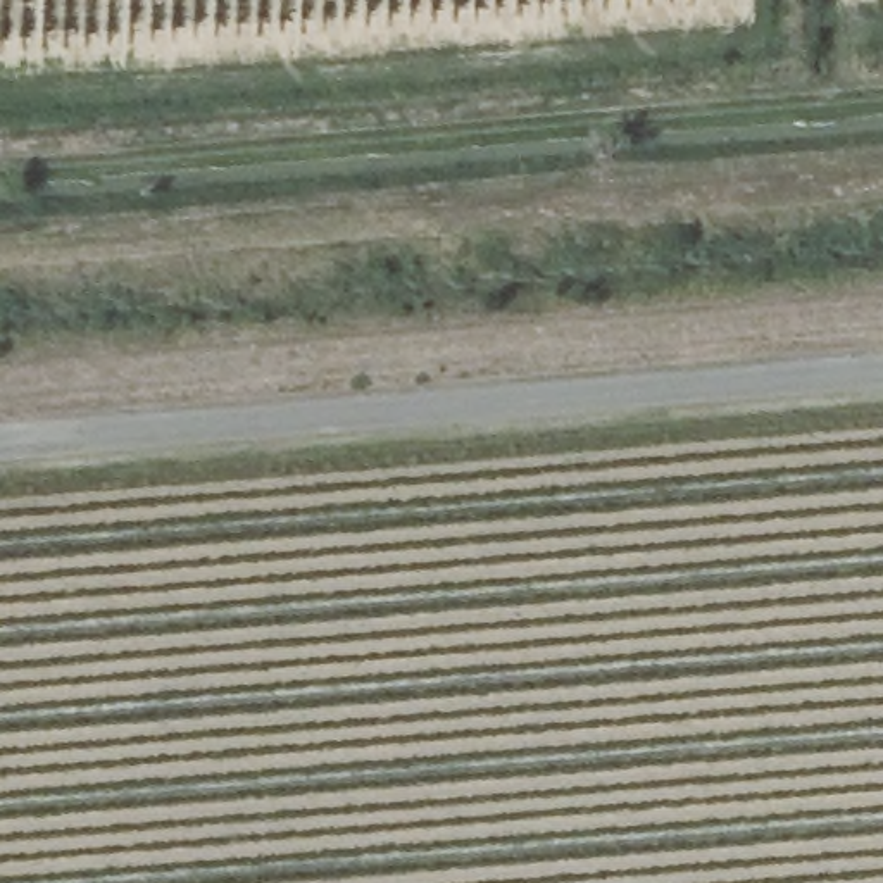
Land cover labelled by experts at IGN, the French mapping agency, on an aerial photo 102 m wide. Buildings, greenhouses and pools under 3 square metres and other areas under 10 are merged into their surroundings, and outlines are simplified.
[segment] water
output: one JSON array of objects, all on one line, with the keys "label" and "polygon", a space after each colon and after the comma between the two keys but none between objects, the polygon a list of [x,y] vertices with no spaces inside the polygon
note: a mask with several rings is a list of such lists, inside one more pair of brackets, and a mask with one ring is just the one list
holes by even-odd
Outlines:
[{"label": "water", "polygon": [[172,176],[148,172],[103,176],[93,183],[45,183],[52,186],[52,193],[69,197],[148,197],[152,190],[166,193],[214,186],[217,179],[290,183],[297,176],[321,172],[573,155],[586,152],[586,141],[569,138],[476,148],[428,148],[379,159],[238,162],[224,169],[190,169]]},{"label": "water", "polygon": [[883,117],[804,121],[804,128],[742,124],[679,131],[652,128],[645,110],[621,121],[631,145],[645,145],[655,131],[662,135],[662,145],[883,131]]}]

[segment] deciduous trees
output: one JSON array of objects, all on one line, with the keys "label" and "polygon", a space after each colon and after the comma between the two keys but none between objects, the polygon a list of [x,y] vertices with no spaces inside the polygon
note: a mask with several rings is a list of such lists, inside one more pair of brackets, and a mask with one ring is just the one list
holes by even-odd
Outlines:
[{"label": "deciduous trees", "polygon": [[817,45],[817,31],[838,24],[838,0],[804,0],[804,41],[811,48],[807,66],[824,86],[835,76],[835,52]]},{"label": "deciduous trees", "polygon": [[766,48],[738,52],[728,45],[724,66],[759,66],[783,59],[786,0],[755,0],[752,17],[766,28]]},{"label": "deciduous trees", "polygon": [[566,272],[590,272],[593,279],[614,272],[621,286],[611,300],[645,304],[673,290],[683,290],[683,297],[711,297],[714,290],[745,293],[755,286],[790,279],[849,283],[862,272],[883,269],[883,210],[869,224],[817,221],[811,228],[776,231],[704,231],[697,245],[683,238],[686,221],[645,228],[593,221],[569,224],[566,231],[552,235],[548,248],[535,259],[510,252],[510,238],[493,231],[486,241],[462,238],[455,252],[435,255],[421,255],[410,241],[331,241],[304,248],[235,248],[221,255],[200,255],[190,262],[169,259],[166,266],[72,266],[66,283],[14,283],[10,272],[0,272],[0,341],[14,345],[14,335],[103,335],[152,328],[166,345],[172,345],[179,331],[193,328],[193,304],[204,304],[207,310],[204,324],[272,324],[279,317],[290,317],[324,328],[338,314],[417,317],[497,310],[538,317],[555,314],[569,304],[559,297],[559,279]]},{"label": "deciduous trees", "polygon": [[597,55],[597,45],[590,41],[593,34],[573,28],[562,38],[455,45],[462,66],[473,72],[507,66],[510,59],[583,62]]}]

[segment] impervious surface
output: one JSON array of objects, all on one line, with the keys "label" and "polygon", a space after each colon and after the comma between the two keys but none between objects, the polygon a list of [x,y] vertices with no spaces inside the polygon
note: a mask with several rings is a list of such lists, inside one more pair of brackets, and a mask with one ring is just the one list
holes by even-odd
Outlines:
[{"label": "impervious surface", "polygon": [[300,397],[286,404],[231,410],[138,407],[138,414],[38,417],[0,424],[0,473],[83,469],[138,459],[210,459],[235,452],[290,452],[314,445],[355,445],[393,438],[466,438],[497,431],[590,428],[624,421],[631,414],[638,421],[683,421],[883,400],[883,352],[517,386],[462,383],[459,390],[421,386],[417,393],[366,390],[352,397]]}]

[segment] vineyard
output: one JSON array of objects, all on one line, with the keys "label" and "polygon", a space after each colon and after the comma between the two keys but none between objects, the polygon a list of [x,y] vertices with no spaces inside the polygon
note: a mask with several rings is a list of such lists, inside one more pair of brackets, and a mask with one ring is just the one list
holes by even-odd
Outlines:
[{"label": "vineyard", "polygon": [[497,431],[466,438],[393,438],[355,445],[314,445],[290,452],[235,452],[210,459],[138,459],[83,469],[0,473],[0,883],[883,883],[883,400],[683,421],[638,421],[631,414],[624,421],[590,428]]},{"label": "vineyard", "polygon": [[0,66],[59,59],[62,69],[93,69],[107,59],[121,69],[172,69],[183,62],[369,55],[386,48],[455,45],[562,38],[573,28],[593,34],[611,34],[617,28],[735,28],[752,17],[755,0],[0,0]]}]

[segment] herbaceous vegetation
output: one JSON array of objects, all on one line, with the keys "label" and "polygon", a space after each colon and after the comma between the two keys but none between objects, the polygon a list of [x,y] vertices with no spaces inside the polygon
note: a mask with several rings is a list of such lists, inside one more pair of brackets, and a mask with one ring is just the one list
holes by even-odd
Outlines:
[{"label": "herbaceous vegetation", "polygon": [[166,345],[152,328],[103,335],[14,335],[14,345],[0,341],[0,424],[38,417],[138,414],[138,407],[231,410],[286,404],[300,397],[352,397],[366,390],[417,393],[421,386],[459,390],[462,383],[517,386],[883,352],[883,269],[862,272],[849,283],[790,279],[755,286],[745,293],[714,290],[711,297],[683,297],[683,290],[673,290],[645,304],[611,300],[621,286],[614,272],[593,279],[590,272],[566,272],[559,279],[559,297],[569,304],[555,314],[538,317],[497,310],[417,317],[338,314],[324,328],[290,317],[279,317],[272,324],[204,324],[207,310],[204,304],[193,304],[193,328],[179,331],[172,345]]},{"label": "herbaceous vegetation", "polygon": [[[410,241],[421,255],[435,255],[455,252],[462,238],[486,241],[493,231],[510,238],[510,252],[535,259],[548,248],[552,235],[566,231],[569,224],[593,221],[645,228],[686,221],[683,238],[697,245],[704,231],[776,231],[811,228],[817,221],[869,224],[883,210],[883,131],[662,145],[662,135],[655,131],[645,145],[631,145],[621,121],[645,110],[652,128],[679,131],[742,124],[804,128],[804,121],[883,117],[883,0],[838,0],[838,24],[817,31],[817,45],[835,52],[835,76],[824,86],[807,66],[811,48],[804,41],[804,0],[786,0],[783,59],[759,66],[724,66],[728,45],[738,52],[766,48],[766,28],[752,17],[735,28],[617,28],[611,34],[593,34],[590,41],[597,45],[597,55],[583,62],[510,59],[507,66],[473,72],[462,66],[455,45],[386,48],[369,55],[183,62],[172,69],[121,69],[107,59],[93,69],[62,69],[59,59],[0,66],[0,272],[10,272],[14,283],[66,283],[72,266],[166,266],[169,259],[190,262],[200,255],[221,255],[235,248],[304,248],[331,241]],[[476,148],[569,138],[586,141],[586,152],[573,155],[321,172],[297,176],[290,183],[217,179],[214,186],[166,193],[152,190],[148,197],[69,197],[52,193],[52,186],[45,183],[93,183],[103,176],[148,172],[172,176],[190,169],[224,169],[238,162],[379,159],[428,148]]]}]

